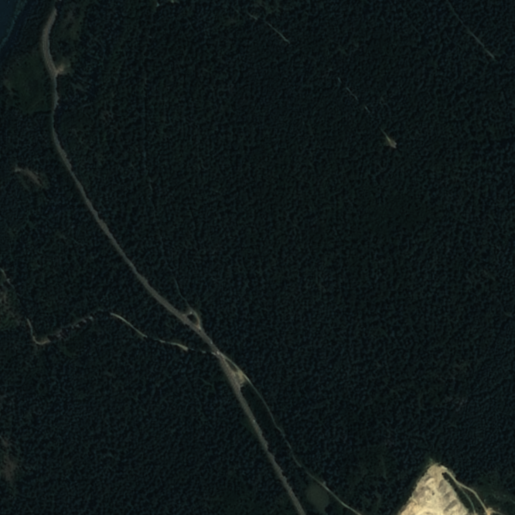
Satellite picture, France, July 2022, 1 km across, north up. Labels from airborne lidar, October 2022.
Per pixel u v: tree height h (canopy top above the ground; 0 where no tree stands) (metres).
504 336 17
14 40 23
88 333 10
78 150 13
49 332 12
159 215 14
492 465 0
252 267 13
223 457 22
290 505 7
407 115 14
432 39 16
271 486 28
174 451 26
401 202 9
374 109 18
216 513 15
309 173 15
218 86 22
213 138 15
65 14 17
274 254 7
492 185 28
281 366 10
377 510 0
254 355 22
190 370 35
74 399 27
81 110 13
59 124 22
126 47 18
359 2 28
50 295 20
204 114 12
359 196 9
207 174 20
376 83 18
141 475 9
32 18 29
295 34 26
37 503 19
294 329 14
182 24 24
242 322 23
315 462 24
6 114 20
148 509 27
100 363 18
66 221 26
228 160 18
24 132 19
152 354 27
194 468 26
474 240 23
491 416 21
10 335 17
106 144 17
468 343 19
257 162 21
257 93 21
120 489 21
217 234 17
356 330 22
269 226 16
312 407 26
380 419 14
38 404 31
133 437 31
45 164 25
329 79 20
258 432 0
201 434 26
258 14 28
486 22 28
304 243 15
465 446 0
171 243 10
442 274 22
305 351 28
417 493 0
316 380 24
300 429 25
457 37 21
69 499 29
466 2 35
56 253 13
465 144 14
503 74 13
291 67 26
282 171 19
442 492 0
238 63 14
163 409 18
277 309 18
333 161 18
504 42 16
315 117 18
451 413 22
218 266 18
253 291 20
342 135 19
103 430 28
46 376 12
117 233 27
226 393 25
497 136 11
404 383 24
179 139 10
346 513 8
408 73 20
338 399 20
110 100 14
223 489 15
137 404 35
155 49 18
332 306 19
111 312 32
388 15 23
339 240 11
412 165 16
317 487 0
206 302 25
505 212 29
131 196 26
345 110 22
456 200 22
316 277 16
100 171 11
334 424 22
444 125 17
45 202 13
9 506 8
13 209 26
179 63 14
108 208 31
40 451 23
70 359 24
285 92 19
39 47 17
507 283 10
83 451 29
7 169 21
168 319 20
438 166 22
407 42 25
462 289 10
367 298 19
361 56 18
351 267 12
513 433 9
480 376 21
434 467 0
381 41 24
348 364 27
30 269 17
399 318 28
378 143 19
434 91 23
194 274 14
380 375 24
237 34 19
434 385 18
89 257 31
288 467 26
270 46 21
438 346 26
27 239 19
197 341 19
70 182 19
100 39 24
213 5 15
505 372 21
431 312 8
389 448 12
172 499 31
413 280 16
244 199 19
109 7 27
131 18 14
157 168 20
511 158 29
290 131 21
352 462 17
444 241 25
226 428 14
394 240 22
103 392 27
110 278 24
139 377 13
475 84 18
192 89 21
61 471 27
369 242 13
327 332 23
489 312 22
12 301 8
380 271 9
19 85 0
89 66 21
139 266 27
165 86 13
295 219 25
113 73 14
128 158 16
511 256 21
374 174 25
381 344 27
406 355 29
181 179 18
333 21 15
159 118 11
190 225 19
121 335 21
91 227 26
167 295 24
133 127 20
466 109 10
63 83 13
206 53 20
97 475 18
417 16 23
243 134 24
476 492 0
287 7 8
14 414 15
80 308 13
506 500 0
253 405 7
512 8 24
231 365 0
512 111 19
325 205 19
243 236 17
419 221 10
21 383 17
